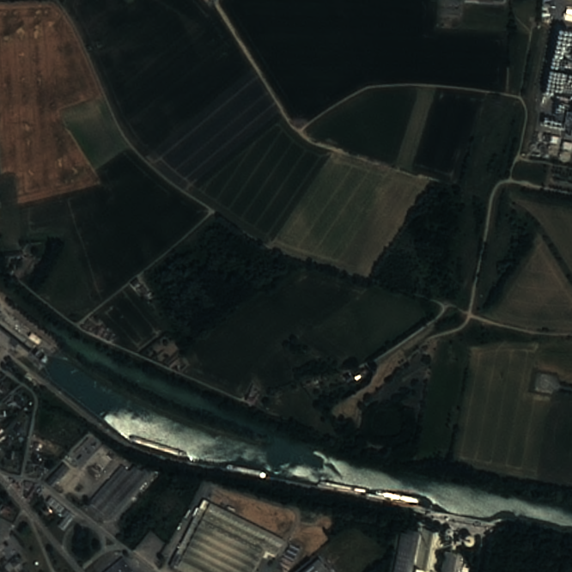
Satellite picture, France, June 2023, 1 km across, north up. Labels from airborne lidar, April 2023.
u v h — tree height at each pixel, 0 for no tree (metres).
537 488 18
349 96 0
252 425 0
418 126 0
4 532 0
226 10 0
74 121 0
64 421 0
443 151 0
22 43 0
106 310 0
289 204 0
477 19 0
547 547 18
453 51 0
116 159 0
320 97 0
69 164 0
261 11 0
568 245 0
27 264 0
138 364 6
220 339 0
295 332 0
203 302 19
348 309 0
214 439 0
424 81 0
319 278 0
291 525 0
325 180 0
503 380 0
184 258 10
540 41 0
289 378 0
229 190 0
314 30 0
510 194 0
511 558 11
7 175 0
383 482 0
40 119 0
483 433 0
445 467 22
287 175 0
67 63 0
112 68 0
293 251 0
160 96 0
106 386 0
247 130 0
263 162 0
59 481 0
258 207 0
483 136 0
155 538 0
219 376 0
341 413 0
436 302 0
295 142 0
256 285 5
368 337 0
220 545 0
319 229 0
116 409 0
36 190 0
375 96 0
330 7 0
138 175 0
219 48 0
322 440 8
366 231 0
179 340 6
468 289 0
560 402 0
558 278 0
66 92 0
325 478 0
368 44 0
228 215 0
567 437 0
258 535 0
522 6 0
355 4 0
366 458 15
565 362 0
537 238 0
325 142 0
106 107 0
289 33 0
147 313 0
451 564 0
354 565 0
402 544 0
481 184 0
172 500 0
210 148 0
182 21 0
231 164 0
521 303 0
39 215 0
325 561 0
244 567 0
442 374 0
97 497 0
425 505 0
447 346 0
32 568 0
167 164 0
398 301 0
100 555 0
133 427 0
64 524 0
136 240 0
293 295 0
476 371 0
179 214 0
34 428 0
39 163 0
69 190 0
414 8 0
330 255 0
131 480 0
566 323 0
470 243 0
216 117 0
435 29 0
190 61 0
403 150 0
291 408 0
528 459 0
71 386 0
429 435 0
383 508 8
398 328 0
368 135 0
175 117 0
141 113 0
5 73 0
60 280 0
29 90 0
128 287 0
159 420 0
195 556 0
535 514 0
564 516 0
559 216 0
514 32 8
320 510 10
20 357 0
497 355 0
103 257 0
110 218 0
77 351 0
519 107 0
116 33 0
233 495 0
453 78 0
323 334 0
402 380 0
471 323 0
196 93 0
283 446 0
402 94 0
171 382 16
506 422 0
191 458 0
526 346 0
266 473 0
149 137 0
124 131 0
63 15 0
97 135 0
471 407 0
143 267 0
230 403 14
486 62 0
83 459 0
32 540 0
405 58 0
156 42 0
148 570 0
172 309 16
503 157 0
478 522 0
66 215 0
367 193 0
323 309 0
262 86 0
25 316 10
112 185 0
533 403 0
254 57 0
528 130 0
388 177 0
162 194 0
